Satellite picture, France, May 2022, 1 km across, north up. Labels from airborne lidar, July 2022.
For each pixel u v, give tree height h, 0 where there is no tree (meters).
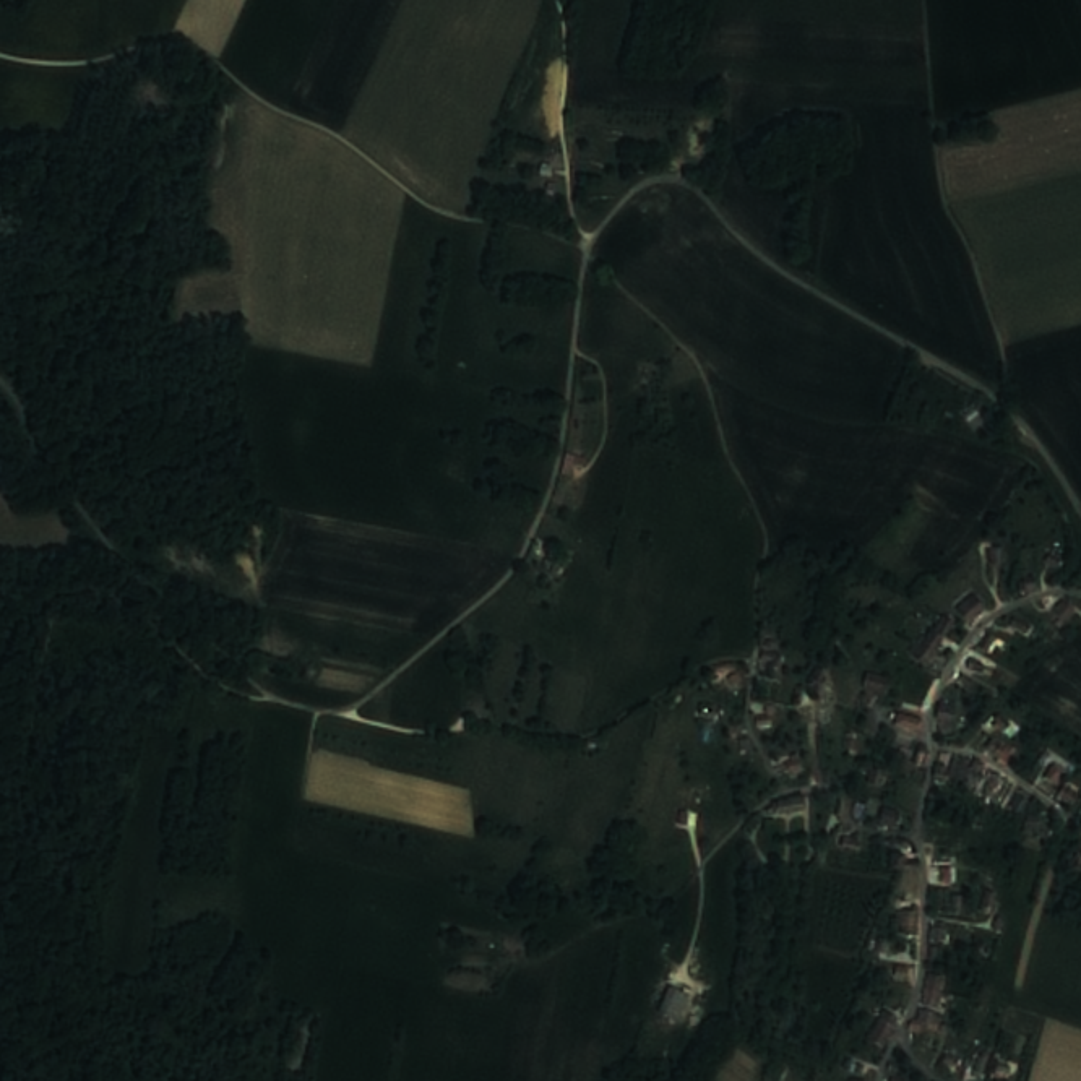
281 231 0
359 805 0
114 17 0
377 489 0
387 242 0
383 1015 0
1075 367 0
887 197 0
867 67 0
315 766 0
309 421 0
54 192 31
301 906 0
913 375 8
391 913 0
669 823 0
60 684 25
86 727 29
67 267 27
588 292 0
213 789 14
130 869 0
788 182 7
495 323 0
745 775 11
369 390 0
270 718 0
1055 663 0
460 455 0
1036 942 0
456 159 0
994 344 0
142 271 24
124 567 24
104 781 28
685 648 0
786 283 0
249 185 0
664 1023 0
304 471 0
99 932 8
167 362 17
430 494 0
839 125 24
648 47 21
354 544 0
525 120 0
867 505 0
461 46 0
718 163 19
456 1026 0
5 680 27
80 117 22
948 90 0
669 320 0
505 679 0
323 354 0
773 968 9
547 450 17
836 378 0
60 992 27
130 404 22
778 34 0
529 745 9
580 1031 0
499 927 0
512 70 0
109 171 20
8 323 22
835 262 0
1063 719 0
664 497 0
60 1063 23
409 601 0
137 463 13
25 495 23
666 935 13
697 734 0
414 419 0
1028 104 0
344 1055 0
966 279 0
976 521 0
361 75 0
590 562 0
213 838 18
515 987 0
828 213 0
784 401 0
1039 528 0
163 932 5
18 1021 26
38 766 10
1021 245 0
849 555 11
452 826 0
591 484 0
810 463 0
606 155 0
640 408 10
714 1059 18
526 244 0
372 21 0
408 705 0
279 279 0
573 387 0
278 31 0
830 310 0
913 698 0
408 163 0
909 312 0
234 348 16
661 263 0
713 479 0
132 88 26
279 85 0
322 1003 0
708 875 0
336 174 0
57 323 25
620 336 0
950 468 0
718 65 0
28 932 28
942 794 12
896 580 12
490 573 0
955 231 0
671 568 0
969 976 9
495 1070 0
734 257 0
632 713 9
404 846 10
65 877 7
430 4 0
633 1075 15
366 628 0
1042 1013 0
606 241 0
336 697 0
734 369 0
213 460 20
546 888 14
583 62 0
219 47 0
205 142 21
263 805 0
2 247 24
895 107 0
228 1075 12
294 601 0
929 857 0
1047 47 0
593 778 0
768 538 0
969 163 0
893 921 8
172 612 28
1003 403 17
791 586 0
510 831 10
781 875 21
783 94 0
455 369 0
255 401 0
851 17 0
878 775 0
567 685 0
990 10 0
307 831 0
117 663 23
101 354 25
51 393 22
